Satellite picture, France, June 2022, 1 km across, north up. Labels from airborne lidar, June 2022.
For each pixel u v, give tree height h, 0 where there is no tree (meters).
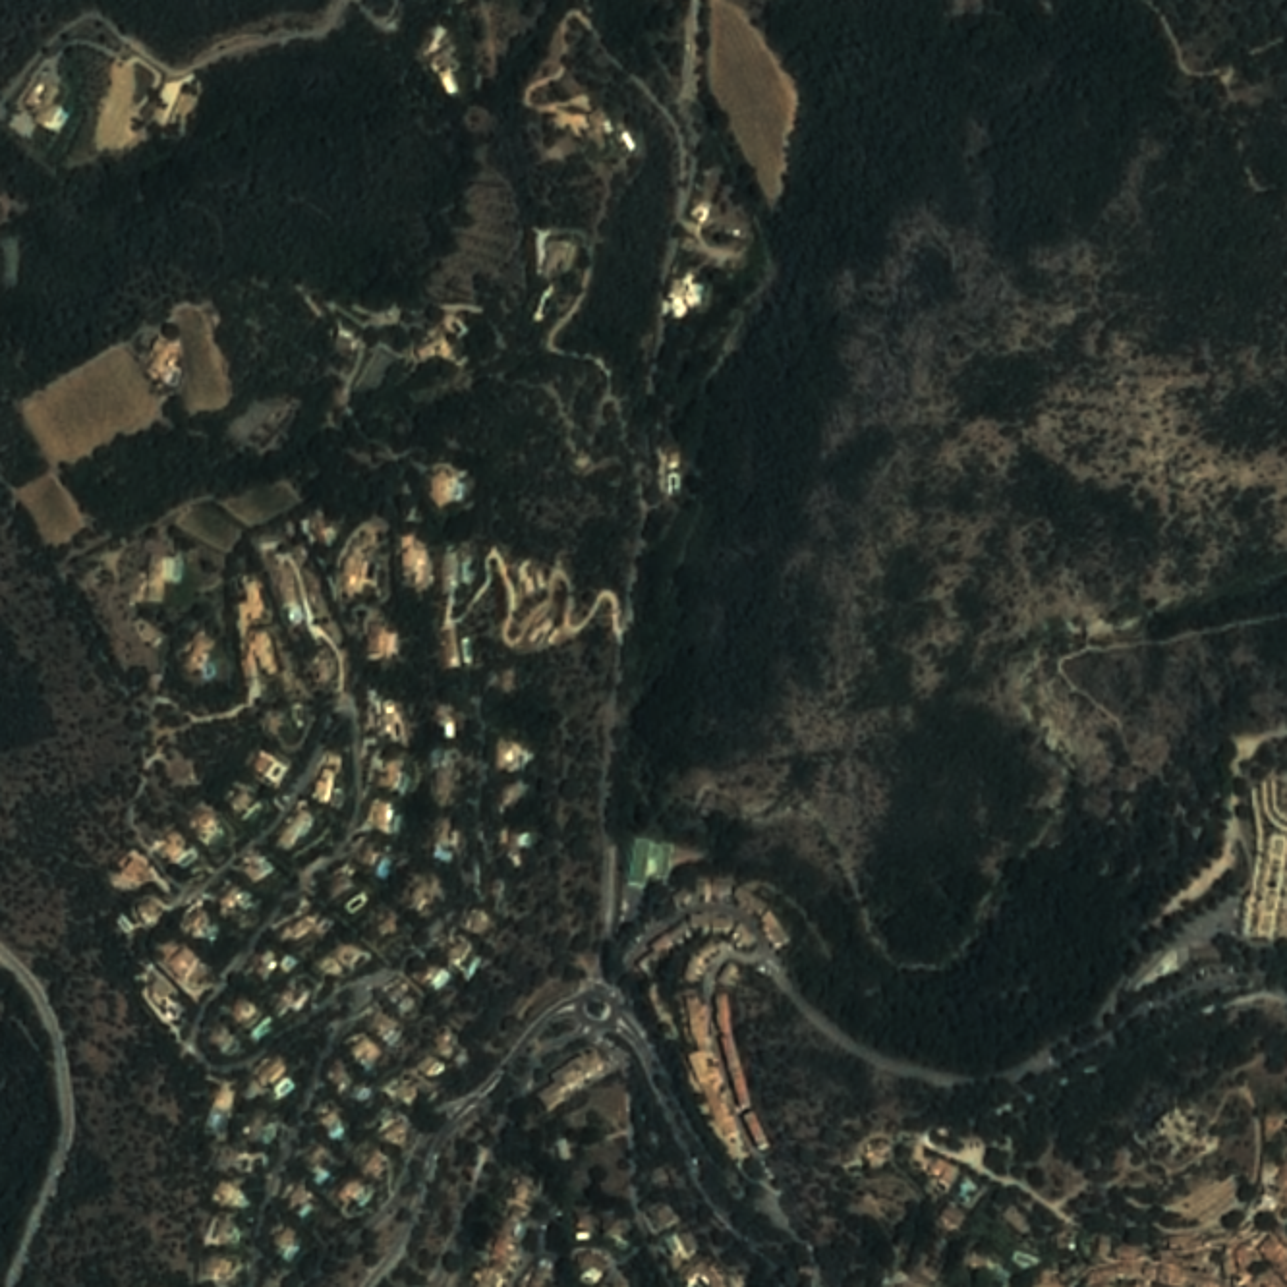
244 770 8
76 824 7
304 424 12
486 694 8
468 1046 10
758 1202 9
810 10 10
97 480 8
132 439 8
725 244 11
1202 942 0
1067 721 0
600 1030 0
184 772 0
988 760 6
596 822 7
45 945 6
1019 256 5
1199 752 7
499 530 13
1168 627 8
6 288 6
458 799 6
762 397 9
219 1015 7
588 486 10
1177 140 6
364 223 7
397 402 12
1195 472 0
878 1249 13
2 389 9
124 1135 7
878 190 6
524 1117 14
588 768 5
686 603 14
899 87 8
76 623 8
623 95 7
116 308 9
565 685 9
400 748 9
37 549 8
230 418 8
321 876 8
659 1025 19
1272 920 0
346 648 9
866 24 9
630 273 7
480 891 6
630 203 10
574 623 0
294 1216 6
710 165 12
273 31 6
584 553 8
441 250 9
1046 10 10
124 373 0
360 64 9
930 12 10
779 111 0
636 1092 9
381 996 11
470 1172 6
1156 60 10
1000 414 11
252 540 6
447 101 10
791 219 6
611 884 0
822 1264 10
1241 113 7
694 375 15
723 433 8
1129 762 7
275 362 10
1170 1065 10
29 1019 8
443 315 13
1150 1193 6
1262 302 7
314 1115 10
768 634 6
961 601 6
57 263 8
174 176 16
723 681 10
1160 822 7
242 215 8
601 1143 10
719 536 9
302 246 9
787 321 7
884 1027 8
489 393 12
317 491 14
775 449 10
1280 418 6
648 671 6
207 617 11
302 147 12
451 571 0
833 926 13
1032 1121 10
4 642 6
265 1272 7
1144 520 6
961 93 8
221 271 5
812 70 10
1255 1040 7
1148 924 8
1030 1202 7
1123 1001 9
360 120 9
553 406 8
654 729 11
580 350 10
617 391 6
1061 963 11
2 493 7
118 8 7
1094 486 5
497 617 9
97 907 6
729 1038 0
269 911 6
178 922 7
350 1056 8
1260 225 8
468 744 10
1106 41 10
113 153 9
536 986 13
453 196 8
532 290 5
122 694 7
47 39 11
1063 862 9
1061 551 7
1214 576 9
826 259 8
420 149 6
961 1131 12
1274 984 11
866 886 8
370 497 7
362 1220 6
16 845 7
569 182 6
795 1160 7
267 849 7
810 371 10
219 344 7
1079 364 6
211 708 8
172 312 6
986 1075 10
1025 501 7
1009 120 8
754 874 9
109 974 7
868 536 0
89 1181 5
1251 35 9
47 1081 9
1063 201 8
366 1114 12
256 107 12
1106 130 8
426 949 6
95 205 10
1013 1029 11
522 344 7
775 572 7
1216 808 7
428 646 7
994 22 8
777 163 0
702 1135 12
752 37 0
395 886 9
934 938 10
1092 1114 10
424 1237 10
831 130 9
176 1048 7
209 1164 11
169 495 10
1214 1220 0
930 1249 6
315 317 9
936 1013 11
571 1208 8
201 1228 10
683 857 0
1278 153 8
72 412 0
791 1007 9
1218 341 6
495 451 8
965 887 17
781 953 6
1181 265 8
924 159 8
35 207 8
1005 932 14
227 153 8
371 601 10
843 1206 9
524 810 14
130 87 0
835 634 0
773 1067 11
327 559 8
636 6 11
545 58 9
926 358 0
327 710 11
